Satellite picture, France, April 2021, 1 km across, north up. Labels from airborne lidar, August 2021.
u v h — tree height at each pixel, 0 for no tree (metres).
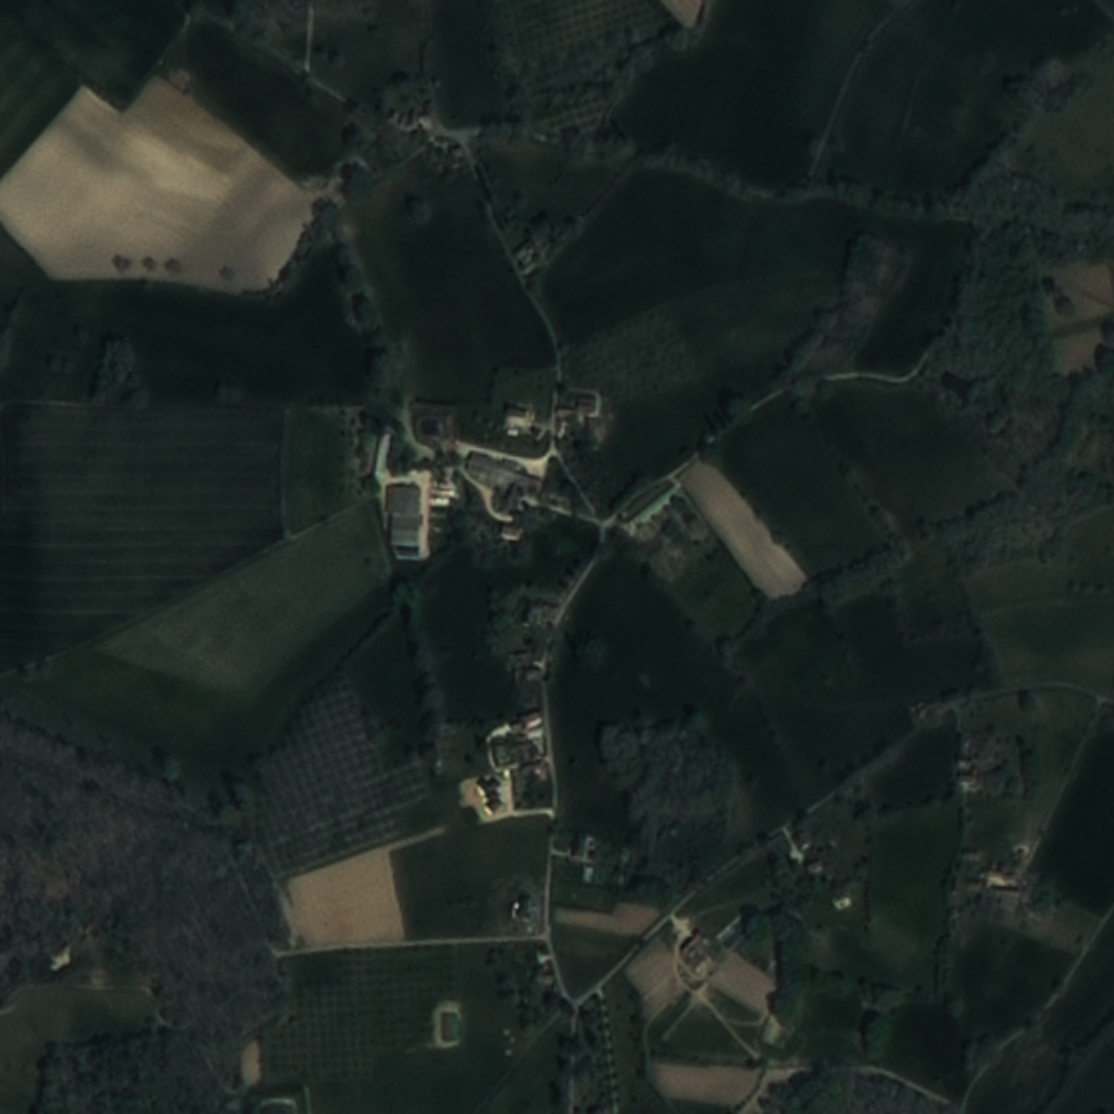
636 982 0
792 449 0
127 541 0
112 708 0
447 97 0
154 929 20
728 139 0
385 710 0
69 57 0
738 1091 0
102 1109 17
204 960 23
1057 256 22
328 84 0
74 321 0
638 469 0
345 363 0
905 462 0
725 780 19
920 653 0
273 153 0
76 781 12
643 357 7
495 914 0
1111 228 19
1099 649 0
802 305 0
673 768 20
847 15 0
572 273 0
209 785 0
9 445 0
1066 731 0
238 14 22
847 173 0
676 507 10
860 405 0
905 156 0
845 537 0
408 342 0
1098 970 0
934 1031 0
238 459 0
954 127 0
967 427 12
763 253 0
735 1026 0
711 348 0
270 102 0
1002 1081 0
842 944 0
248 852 19
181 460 0
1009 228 18
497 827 0
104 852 19
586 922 0
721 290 0
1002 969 0
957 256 0
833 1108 26
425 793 9
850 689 0
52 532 0
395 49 0
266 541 0
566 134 11
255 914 18
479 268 0
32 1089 0
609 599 0
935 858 0
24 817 17
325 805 10
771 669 0
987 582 0
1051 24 0
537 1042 0
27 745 23
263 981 22
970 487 0
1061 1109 0
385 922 0
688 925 0
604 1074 10
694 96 0
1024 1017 0
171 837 19
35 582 0
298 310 0
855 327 7
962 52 0
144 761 0
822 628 0
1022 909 8
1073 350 0
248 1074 0
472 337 0
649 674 0
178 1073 27
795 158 0
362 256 0
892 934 0
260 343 0
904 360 0
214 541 0
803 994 17
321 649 0
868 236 10
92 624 0
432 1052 0
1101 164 0
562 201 0
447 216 0
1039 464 9
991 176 18
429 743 16
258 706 0
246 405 0
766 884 0
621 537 18
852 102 0
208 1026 19
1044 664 0
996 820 0
